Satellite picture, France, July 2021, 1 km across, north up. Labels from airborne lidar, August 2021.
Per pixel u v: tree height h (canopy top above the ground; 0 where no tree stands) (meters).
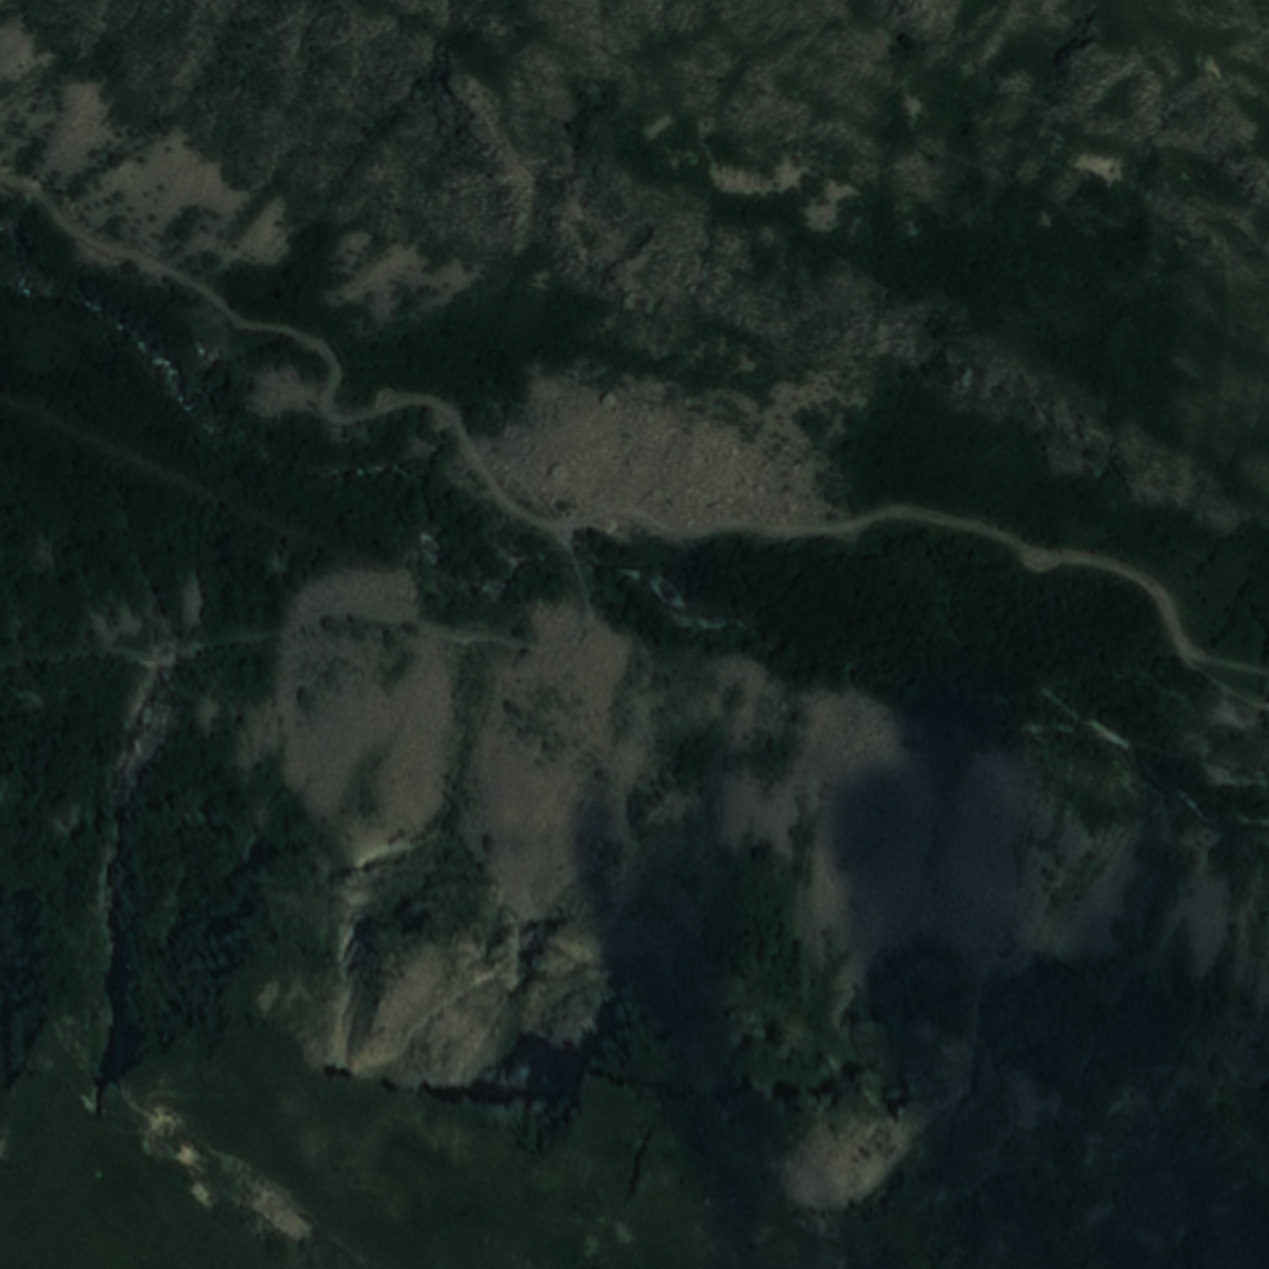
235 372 17
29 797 10
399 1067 0
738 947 6
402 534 7
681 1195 0
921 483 9
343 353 7
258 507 7
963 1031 10
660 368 7
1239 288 0
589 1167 0
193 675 10
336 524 8
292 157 6
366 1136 0
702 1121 6
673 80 0
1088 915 0
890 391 8
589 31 0
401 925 15
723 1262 0
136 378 11
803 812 0
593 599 6
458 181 8
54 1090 0
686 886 9
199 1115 0
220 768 13
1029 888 0
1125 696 14
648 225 15
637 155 6
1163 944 0
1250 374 0
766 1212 0
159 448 8
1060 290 5
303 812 8
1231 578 0
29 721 14
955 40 0
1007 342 0
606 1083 33
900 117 6
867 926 0
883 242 7
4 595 8
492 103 0
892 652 14
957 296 7
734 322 9
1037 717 15
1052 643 16
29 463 8
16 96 0
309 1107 0
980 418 7
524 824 0
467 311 6
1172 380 6
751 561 18
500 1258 0
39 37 0
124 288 7
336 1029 0
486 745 0
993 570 15
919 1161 0
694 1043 0
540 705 0
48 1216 0
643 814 8
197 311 7
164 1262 0
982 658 18
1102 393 10
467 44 6
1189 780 7
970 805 0
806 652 13
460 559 8
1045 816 0
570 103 0
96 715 8
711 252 8
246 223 0
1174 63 0
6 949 10
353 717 0
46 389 7
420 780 0
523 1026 0
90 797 9
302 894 7
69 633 8
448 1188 0
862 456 7
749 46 0
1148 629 12
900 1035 0
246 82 8
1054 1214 7
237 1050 0
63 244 6
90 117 0
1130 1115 6
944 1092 0
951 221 8
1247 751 0
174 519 6
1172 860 7
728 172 0
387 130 9
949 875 0
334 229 6
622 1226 0
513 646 0
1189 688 10
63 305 25
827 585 17
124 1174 0
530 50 0
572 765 0
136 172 0
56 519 8
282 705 0
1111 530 6
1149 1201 0
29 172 6
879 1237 0
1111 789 0
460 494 8
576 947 0
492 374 8
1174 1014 12
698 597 13
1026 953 0
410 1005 0
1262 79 0
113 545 7
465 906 7
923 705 8
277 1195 0
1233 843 9
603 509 0
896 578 19
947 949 7
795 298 6
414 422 6
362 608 0
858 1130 0
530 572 9
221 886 12
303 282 8
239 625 7
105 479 6
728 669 0
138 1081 0
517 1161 0
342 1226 0
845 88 0
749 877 0
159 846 9
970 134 13
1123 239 7
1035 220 6
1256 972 0
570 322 8
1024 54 0
